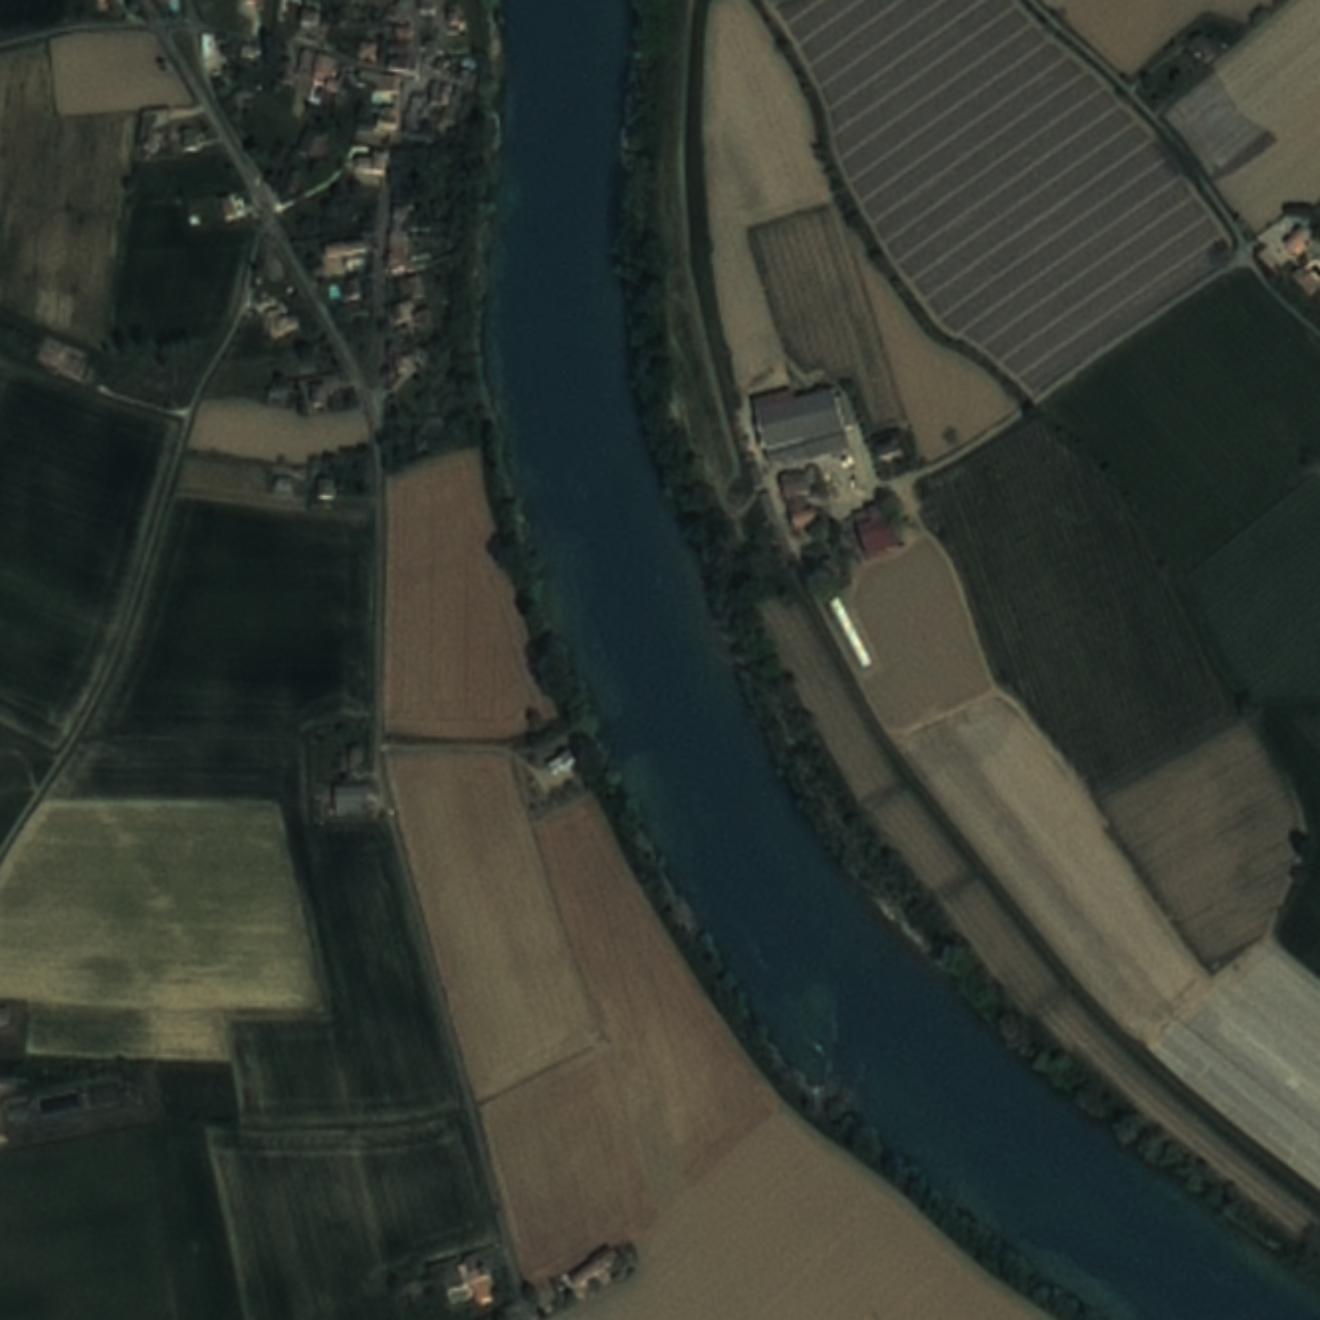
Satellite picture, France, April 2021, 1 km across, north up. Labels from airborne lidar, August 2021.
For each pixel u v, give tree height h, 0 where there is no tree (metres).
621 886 0
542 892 0
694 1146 0
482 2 10
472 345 15
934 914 19
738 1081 0
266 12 0
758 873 0
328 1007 0
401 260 0
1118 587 0
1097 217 0
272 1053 0
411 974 0
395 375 11
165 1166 0
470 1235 0
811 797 19
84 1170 0
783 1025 0
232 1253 0
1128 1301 0
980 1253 28
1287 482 0
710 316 0
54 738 0
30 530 0
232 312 0
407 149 8
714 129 0
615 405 0
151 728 0
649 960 0
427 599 0
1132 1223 0
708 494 14
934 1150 0
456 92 6
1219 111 0
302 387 8
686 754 0
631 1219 0
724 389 0
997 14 0
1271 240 0
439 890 0
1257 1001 0
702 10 0
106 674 0
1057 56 0
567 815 0
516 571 27
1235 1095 0
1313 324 11
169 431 0
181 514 0
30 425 0
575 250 0
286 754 0
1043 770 0
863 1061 0
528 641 0
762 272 0
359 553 0
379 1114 0
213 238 0
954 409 0
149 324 0
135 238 0
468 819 0
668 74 0
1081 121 0
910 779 0
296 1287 0
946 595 0
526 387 0
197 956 0
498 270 0
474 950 0
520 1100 0
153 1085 0
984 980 21
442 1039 0
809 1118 6
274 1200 0
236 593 0
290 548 0
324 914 0
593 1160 0
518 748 0
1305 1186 0
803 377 0
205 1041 0
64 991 0
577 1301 11
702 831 0
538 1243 0
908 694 0
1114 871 0
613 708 0
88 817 0
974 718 0
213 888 0
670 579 0
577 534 0
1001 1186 0
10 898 0
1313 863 19
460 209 15
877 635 0
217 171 0
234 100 11
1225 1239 0
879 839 12
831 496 0
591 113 0
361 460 13
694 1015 0
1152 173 0
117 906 0
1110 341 0
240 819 0
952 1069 0
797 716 12
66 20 0
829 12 0
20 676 0
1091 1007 0
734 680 0
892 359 0
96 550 0
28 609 0
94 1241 0
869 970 0
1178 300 0
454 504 0
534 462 0
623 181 11
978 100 0
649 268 19
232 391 0
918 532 0
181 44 0
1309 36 0
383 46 8
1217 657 0
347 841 0
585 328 0
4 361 0
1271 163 0
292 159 6
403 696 0
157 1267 0
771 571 9
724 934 0
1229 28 0
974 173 0
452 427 18
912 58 0
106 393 0
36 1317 0
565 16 0
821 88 0
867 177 0
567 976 0
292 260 0
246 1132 0
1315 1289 0
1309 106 0
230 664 0
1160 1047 0
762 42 0
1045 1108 0
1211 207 0
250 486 0
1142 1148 13
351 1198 0
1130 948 0
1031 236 0
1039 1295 20
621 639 0
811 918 0
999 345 0
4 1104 0
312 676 0
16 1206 0
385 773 0
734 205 0
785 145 0
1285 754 0
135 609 0
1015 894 0
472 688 0
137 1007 0
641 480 0
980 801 0
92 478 0
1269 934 0
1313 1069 0
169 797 0
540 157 0
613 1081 0
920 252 0
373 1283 0
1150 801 0
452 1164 0
